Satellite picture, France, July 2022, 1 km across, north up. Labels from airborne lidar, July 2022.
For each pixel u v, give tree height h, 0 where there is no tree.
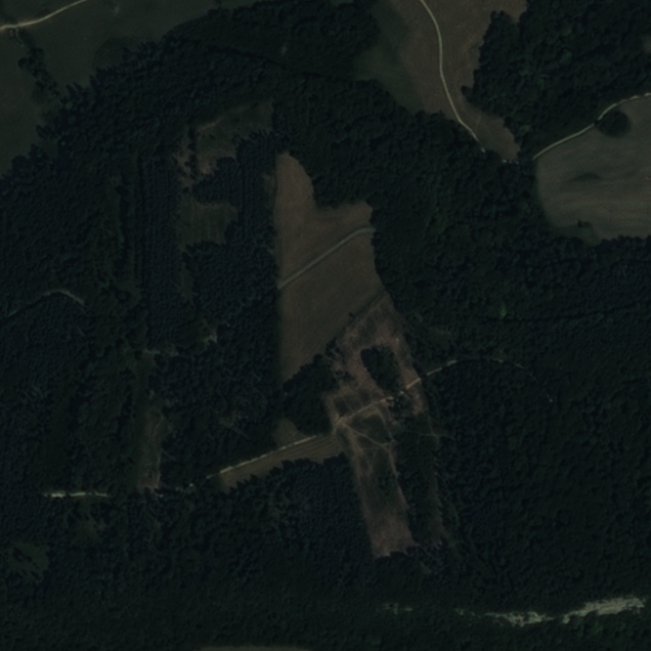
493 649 33
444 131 7
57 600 24
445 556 25
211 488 24
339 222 0
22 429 26
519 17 0
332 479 25
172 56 23
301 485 26
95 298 28
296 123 18
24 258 22
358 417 0
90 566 26
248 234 24
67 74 0
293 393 21
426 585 18
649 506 28
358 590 15
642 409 15
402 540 0
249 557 21
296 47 11
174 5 0
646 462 26
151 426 0
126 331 18
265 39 11
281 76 24
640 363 24
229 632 20
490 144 0
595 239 0
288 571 28
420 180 21
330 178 27
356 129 37
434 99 0
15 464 27
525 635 22
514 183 27
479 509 20
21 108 0
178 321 30
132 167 17
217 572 26
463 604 9
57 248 19
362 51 17
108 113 23
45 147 0
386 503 0
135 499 22
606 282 27
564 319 30
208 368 26
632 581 18
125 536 26
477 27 0
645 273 25
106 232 7
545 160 0
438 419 28
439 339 0
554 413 31
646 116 0
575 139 0
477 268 44
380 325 0
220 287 25
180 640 33
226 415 27
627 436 32
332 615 10
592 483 31
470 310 24
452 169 29
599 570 23
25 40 6
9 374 27
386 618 6
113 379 36
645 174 0
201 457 32
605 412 27
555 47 21
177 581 25
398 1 0
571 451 31
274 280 30
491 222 38
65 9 0
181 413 21
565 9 36
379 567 23
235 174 23
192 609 18
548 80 32
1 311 19
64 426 12
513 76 31
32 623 28
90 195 32
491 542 13
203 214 0
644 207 0
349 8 18
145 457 0
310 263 0
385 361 29
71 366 13
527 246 30
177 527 28
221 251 27
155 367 0
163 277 32
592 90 22
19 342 22
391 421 0
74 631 16
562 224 0
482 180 26
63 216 24
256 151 24
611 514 31
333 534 22
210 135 0
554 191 0
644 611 10
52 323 21
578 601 9
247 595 17
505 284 37
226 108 20
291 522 23
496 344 17
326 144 36
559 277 35
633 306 29
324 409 28
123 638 24
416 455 11
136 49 0
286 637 24
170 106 16
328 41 23
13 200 30
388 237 20
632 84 22
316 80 30
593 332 31
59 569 28
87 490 31
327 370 15
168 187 24
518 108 19
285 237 0
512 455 19
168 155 21
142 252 6
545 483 31
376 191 16
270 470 0
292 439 0
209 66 31
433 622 17
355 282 0
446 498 21
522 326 29
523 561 26
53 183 33
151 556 27
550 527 25
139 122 21
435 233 30
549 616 22
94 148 25
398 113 34
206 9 0
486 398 22
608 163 0
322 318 0
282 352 0
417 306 32
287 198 0
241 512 14
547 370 24
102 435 34
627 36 32
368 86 23
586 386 25
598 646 34
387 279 23
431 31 0
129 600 23
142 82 18
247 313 26
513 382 21
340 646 30
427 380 28
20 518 25
